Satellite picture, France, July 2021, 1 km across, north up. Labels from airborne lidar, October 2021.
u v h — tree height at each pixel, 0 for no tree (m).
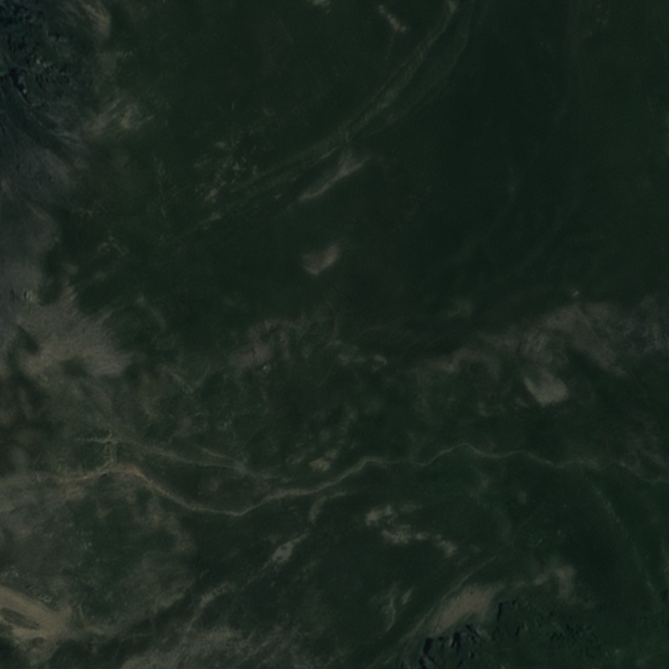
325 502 0
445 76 0
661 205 0
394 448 0
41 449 0
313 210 0
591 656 7
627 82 0
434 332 0
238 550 0
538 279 0
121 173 0
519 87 0
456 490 0
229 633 0
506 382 0
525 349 0
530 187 0
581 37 0
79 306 0
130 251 0
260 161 0
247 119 0
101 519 0
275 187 0
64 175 0
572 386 0
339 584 0
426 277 0
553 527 0
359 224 0
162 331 0
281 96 0
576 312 0
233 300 0
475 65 0
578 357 0
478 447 0
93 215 0
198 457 0
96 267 0
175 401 0
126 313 0
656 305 0
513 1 0
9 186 0
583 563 0
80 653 0
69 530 0
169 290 0
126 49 0
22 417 0
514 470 0
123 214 0
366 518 0
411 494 0
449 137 0
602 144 0
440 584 0
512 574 0
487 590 0
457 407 0
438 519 0
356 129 0
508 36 0
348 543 0
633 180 0
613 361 0
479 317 0
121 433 0
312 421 0
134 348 0
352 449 0
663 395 0
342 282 0
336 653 0
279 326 0
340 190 0
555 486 0
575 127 0
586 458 0
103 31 0
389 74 0
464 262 0
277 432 0
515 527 0
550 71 0
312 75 0
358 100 0
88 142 0
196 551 0
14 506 0
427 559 0
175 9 0
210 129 0
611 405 0
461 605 0
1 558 0
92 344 0
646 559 0
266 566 0
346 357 0
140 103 0
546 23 0
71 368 0
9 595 0
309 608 0
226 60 0
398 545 0
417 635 0
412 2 0
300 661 0
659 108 0
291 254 0
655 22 0
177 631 0
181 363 0
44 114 0
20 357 0
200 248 0
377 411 0
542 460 0
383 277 0
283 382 0
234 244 0
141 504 0
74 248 0
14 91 0
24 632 0
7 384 0
